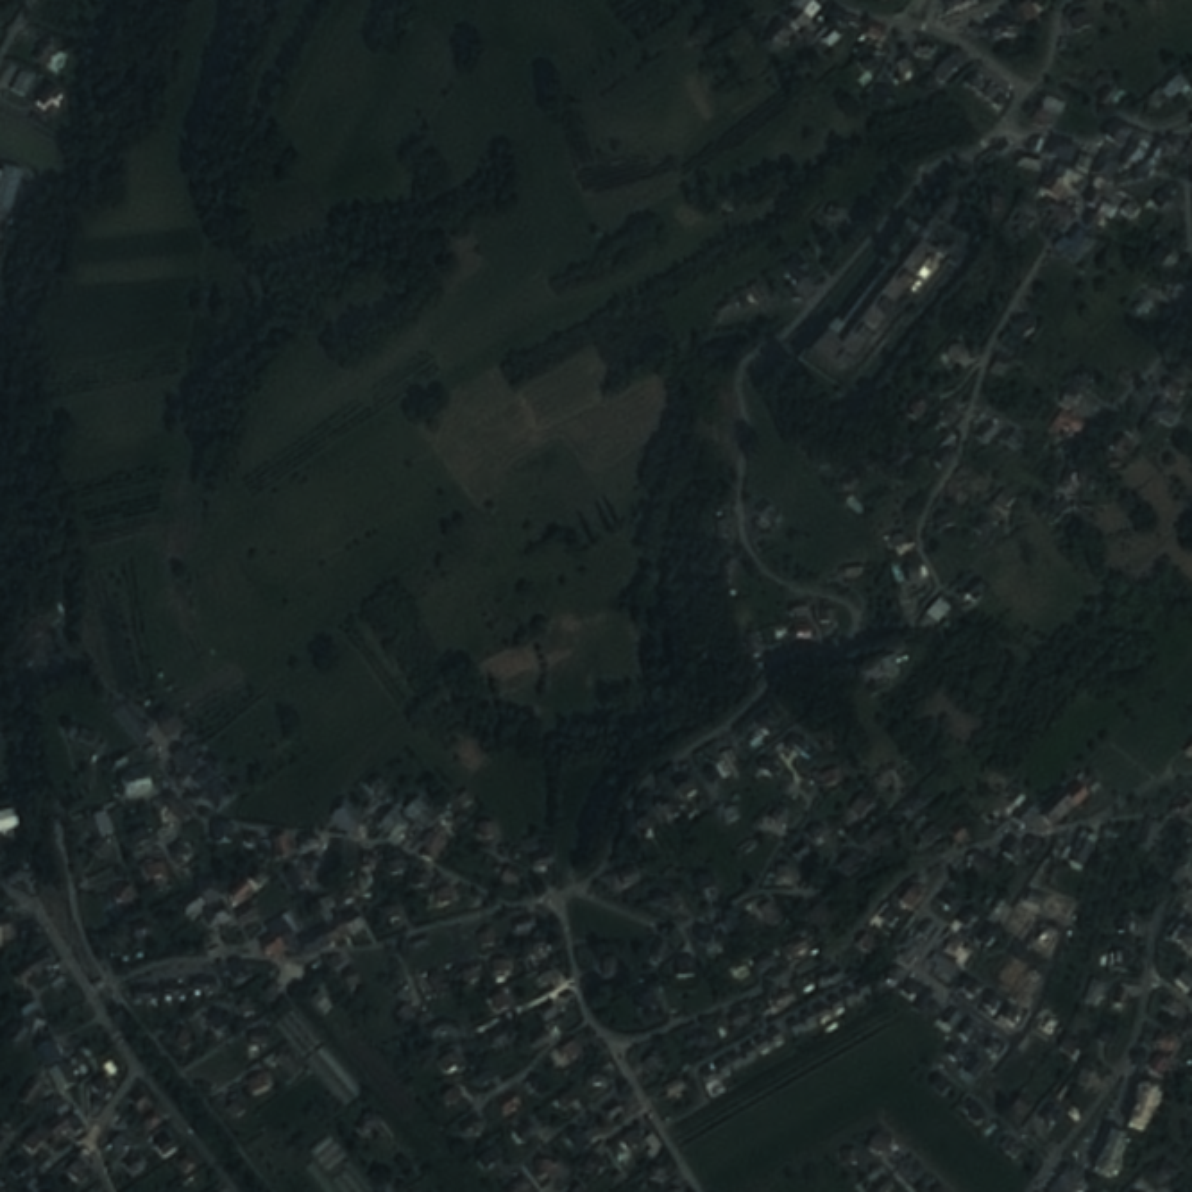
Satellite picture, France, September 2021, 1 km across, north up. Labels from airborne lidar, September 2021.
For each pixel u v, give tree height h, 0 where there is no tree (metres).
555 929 12
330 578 0
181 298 0
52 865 12
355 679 0
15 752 14
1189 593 21
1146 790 0
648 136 0
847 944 0
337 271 22
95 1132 0
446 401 12
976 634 17
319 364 0
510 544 0
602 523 0
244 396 18
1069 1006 0
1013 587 0
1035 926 0
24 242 21
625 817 12
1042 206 0
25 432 23
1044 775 0
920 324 6
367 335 20
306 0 0
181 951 7
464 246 0
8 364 18
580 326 8
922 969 0
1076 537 14
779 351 0
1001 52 10
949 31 0
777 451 0
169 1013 0
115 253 0
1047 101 0
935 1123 0
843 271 0
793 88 22
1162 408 0
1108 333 0
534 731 17
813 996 6
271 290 22
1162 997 6
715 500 8
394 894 9
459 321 0
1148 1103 0
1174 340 21
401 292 12
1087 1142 0
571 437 0
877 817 8
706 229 0
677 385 12
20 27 0
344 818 0
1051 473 6
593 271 7
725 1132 0
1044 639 8
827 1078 0
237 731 0
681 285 14
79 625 15
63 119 0
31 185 0
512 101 0
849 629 0
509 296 0
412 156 11
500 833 0
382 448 0
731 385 0
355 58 0
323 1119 6
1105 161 0
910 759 8
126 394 0
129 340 0
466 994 8
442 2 0
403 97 0
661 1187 6
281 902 0
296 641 0
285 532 0
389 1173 10
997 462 0
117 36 24
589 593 0
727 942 7
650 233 18
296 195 0
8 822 0
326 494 0
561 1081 0
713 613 18
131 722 0
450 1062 0
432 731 12
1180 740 0
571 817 0
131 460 0
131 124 19
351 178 0
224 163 27
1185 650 0
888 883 10
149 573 0
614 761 16
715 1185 0
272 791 0
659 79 0
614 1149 7
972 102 0
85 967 0
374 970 0
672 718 22
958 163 10
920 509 11
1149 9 0
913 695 13
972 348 13
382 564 0
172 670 0
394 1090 0
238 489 0
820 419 17
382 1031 0
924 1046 0
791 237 0
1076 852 0
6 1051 14
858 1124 0
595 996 14
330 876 18
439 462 0
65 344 0
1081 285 8
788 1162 0
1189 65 8
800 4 0
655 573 19
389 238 20
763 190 17
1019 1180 0
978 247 9
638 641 0
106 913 0
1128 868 8
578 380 0
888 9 0
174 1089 10
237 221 25
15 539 25
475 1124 0
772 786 0
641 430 0
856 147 15
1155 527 20
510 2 0
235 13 19
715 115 0
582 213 0
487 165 9
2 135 0
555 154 0
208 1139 21
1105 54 0
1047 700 11
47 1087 0
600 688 0
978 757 6
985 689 12
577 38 0
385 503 0
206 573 0
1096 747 9
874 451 16
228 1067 0
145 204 0
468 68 20
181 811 0
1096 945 8
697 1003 0
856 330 0
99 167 18
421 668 8
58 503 14
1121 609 20
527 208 0
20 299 15
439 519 0
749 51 0
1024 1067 0
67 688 20
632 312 13
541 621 10
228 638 0
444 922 0
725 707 15
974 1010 0
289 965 0
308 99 0
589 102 0
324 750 0
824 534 0
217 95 16
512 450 0
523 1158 0
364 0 0
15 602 26
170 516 0
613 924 0
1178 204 0
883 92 0
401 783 7
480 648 0
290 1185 5
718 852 0
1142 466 0
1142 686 17
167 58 16
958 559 0
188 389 11
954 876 13
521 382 12
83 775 10
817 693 14
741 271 0
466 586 0
